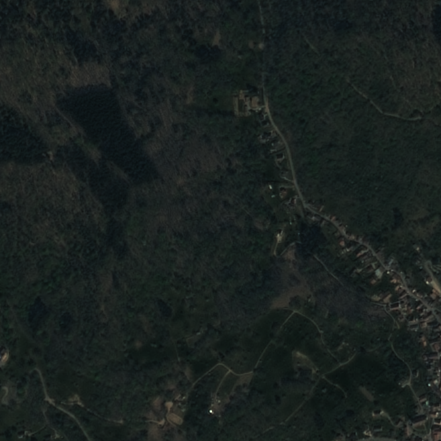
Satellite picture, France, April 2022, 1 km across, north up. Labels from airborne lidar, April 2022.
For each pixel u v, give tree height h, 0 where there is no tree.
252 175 25
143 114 21
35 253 17
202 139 21
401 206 7
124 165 25
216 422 16
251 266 21
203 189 20
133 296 16
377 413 0
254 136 9
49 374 14
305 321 5
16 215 14
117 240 17
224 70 17
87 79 28
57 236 21
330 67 16
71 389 0
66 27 35
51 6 31
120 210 21
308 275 14
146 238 16
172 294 0
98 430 0
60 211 18
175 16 17
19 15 33
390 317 0
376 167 15
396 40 18
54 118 20
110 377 22
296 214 0
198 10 24
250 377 0
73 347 21
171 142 25
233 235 21
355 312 20
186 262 25
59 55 27
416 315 0
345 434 10
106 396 9
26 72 31
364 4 16
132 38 24
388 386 0
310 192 7
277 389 14
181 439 0
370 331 12
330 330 10
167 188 21
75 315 24
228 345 0
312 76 9
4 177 26
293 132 12
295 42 18
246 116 0
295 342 0
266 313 6
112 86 28
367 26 17
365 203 10
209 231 20
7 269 23
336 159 8
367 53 11
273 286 25
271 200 0
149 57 25
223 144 24
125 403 21
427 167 12
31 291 17
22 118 16
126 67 14
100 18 19
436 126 12
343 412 12
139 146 22
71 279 22
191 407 8
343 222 5
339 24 10
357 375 0
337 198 12
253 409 7
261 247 19
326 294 23
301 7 18
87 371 16
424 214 0
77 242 24
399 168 11
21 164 17
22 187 21
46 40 26
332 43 21
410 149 8
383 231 15
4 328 23
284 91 22
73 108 27
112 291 19
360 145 10
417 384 8
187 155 21
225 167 14
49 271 14
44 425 14
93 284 10
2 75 25
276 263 21
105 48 33
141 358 0
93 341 17
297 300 7
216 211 25
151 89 22
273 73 20
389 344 10
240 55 23
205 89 18
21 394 17
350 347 0
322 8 21
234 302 31
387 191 9
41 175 20
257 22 23
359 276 6
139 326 19
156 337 15
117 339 20
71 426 16
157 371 17
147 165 29
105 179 20
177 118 19
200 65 28
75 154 24
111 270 18
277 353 0
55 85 31
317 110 9
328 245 12
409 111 15
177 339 0
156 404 0
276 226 8
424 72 12
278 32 21
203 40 8
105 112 26
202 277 23
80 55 33
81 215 24
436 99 17
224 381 0
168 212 19
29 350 0
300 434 11
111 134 25
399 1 8
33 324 30
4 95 21
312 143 10
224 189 26
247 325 16
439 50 14
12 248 24
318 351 0
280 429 14
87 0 27
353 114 13
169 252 28
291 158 0
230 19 24
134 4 20
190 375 0
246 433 14
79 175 16
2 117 13
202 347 16
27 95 27
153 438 0
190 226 24
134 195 6
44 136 24
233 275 28
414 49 11
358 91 9
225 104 0
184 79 24
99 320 16
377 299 0
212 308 0
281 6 16
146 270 19
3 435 6
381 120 12
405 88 10
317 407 0
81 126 21
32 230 23
